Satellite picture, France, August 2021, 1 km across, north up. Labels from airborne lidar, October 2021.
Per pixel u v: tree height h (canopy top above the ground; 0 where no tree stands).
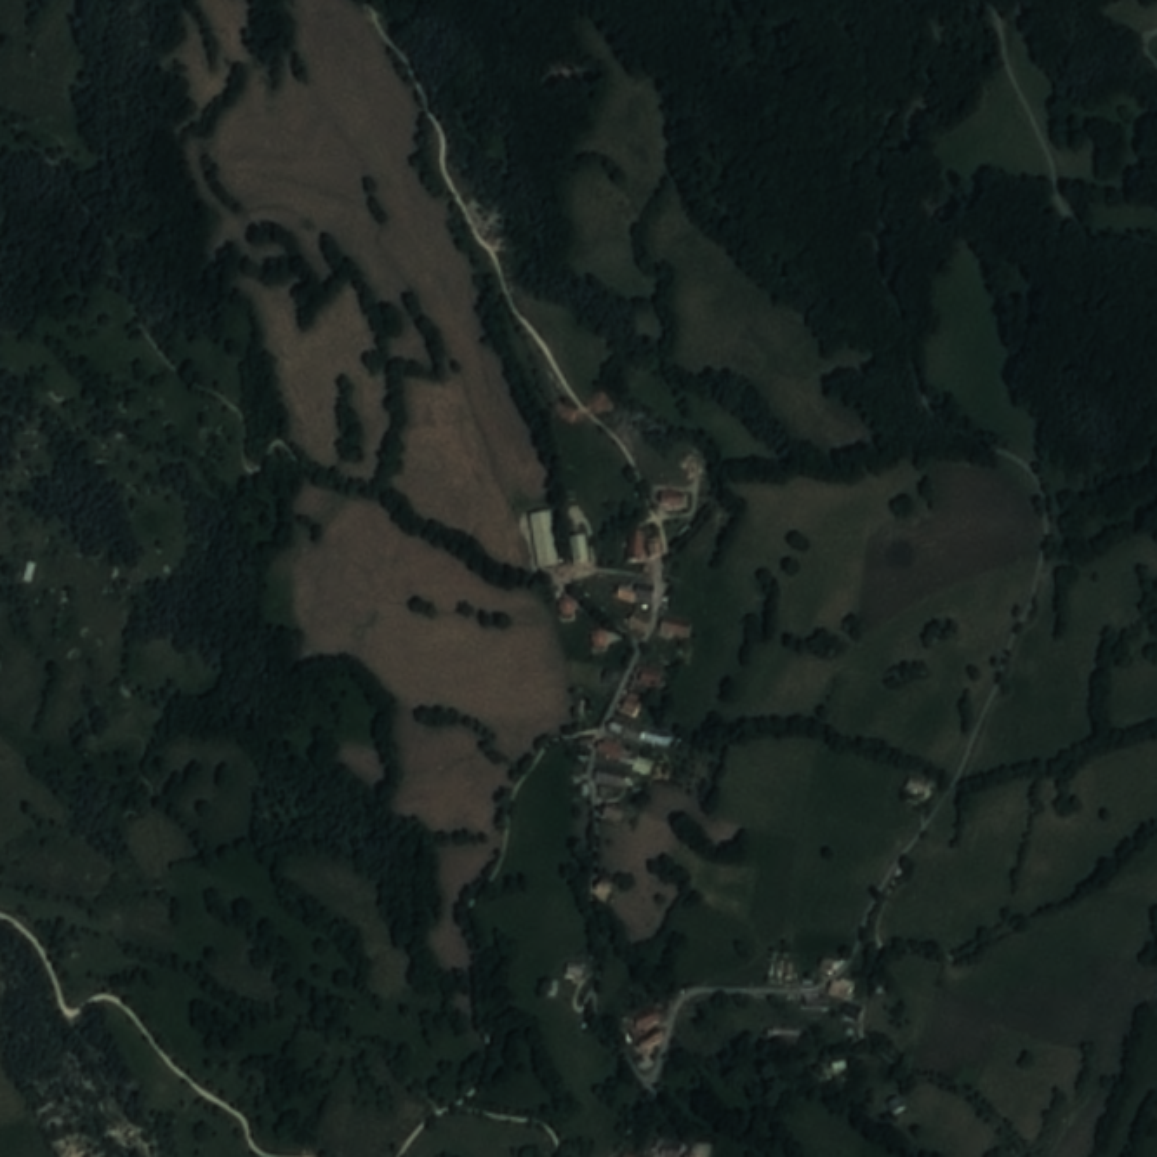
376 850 20
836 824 0
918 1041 0
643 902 0
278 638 13
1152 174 19
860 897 0
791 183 23
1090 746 9
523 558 0
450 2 25
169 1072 0
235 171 0
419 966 14
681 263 0
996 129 0
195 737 14
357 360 0
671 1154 0
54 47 0
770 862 0
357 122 0
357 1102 7
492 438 0
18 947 9
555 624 0
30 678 0
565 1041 0
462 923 14
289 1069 11
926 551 0
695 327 0
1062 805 10
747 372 0
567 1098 11
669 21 26
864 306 20
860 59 23
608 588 0
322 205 0
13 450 6
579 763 6
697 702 0
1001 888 0
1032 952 0
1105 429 15
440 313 0
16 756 0
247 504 15
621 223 0
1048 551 13
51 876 0
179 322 16
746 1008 9
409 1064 13
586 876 15
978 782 8
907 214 27
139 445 8
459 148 15
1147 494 22
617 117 0
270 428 10
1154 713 0
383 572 0
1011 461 0
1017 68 0
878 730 0
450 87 14
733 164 8
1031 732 0
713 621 0
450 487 0
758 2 24
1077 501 17
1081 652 0
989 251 24
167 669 0
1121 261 21
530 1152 9
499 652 0
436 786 0
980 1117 7
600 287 17
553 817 0
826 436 0
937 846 0
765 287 17
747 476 14
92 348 0
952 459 15
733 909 0
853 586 0
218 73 0
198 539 6
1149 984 0
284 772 18
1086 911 0
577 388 0
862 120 26
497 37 25
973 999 0
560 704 0
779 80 20
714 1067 14
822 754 0
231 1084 0
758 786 0
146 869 0
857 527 0
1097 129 19
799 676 0
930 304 22
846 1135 0
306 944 0
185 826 11
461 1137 0
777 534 0
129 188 21
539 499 0
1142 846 12
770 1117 14
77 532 14
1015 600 0
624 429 0
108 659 0
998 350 0
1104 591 0
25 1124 0
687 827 19
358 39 0
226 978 0
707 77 26
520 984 0
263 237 17
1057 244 29
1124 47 23
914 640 0
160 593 12
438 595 0
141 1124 7
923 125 23
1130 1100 9
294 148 0
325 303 7
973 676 9
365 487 12
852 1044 6
